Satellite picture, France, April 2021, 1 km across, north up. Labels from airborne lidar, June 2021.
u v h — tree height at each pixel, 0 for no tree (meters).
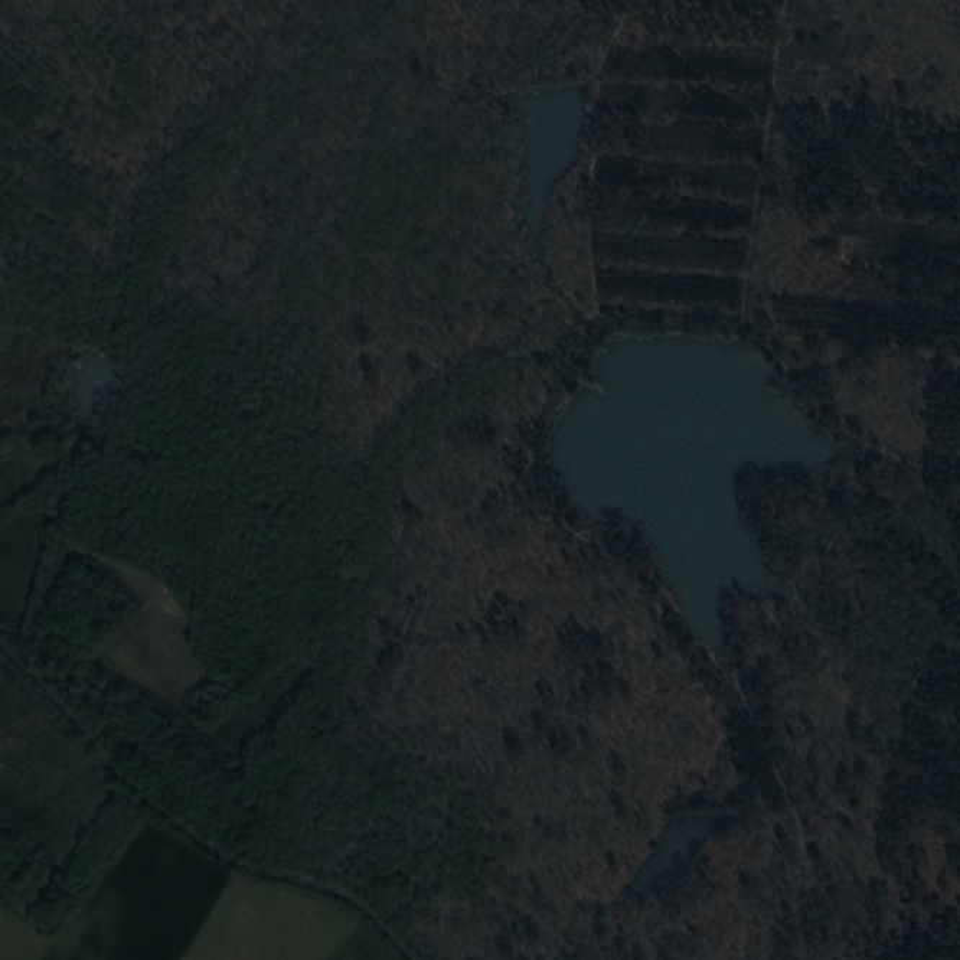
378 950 0
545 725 21
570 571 7
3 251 18
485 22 14
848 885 19
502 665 12
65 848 0
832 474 9
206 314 15
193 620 16
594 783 16
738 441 0
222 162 22
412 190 21
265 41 16
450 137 20
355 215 20
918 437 13
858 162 24
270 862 19
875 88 7
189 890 0
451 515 10
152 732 21
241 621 24
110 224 15
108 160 10
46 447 25
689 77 10
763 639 15
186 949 0
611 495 0
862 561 11
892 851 18
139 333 21
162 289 18
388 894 15
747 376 0
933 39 11
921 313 14
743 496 18
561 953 17
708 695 7
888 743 14
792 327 14
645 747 10
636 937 13
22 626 8
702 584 0
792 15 7
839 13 12
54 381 20
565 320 13
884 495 9
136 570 12
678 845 0
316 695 22
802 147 21
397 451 21
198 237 13
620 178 9
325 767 18
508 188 16
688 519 0
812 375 13
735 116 7
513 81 17
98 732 17
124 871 0
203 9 17
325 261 23
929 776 22
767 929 10
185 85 15
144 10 11
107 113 18
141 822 14
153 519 20
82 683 19
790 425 0
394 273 16
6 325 19
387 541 13
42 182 16
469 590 13
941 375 19
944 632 18
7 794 0
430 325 15
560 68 17
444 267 16
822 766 11
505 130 16
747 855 7
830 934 11
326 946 0
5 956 0
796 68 9
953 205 13
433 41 8
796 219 14
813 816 9
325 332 15
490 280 15
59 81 16
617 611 9
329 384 19
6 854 24
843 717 11
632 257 6
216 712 18
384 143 22
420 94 14
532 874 17
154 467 21
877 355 19
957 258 9
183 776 21
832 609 27
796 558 21
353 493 25
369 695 14
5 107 20
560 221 12
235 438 18
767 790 16
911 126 24
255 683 19
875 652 17
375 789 17
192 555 19
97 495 24
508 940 20
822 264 7
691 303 8
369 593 21
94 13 12
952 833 17
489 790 13
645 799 14
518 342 15
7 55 14
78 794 0
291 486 20
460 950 13
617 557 15
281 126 22
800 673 6
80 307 22
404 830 17
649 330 15
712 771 7
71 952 0
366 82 21
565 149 0
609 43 7
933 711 19
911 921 6
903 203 14
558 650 9
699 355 0
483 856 12
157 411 21
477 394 22
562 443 0
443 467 10
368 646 13
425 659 11
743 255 7
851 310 16
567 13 15
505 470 12
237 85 11
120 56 16
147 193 19
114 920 0
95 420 9
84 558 7
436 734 12
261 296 16
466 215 18
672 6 12
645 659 12
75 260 21
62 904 16
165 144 12
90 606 23
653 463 0
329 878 16
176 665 0
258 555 20
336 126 21
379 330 14
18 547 0
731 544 0
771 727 13
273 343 15
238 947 0
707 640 0
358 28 24
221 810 23
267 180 15
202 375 19
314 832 23
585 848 11
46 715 9
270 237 13
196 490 19
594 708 11
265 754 22
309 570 22
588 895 12
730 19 23
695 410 0
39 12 12
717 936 8
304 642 20
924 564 27
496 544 15
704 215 9
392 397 11
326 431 11
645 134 18
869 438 9
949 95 11
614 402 0
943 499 22
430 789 14
